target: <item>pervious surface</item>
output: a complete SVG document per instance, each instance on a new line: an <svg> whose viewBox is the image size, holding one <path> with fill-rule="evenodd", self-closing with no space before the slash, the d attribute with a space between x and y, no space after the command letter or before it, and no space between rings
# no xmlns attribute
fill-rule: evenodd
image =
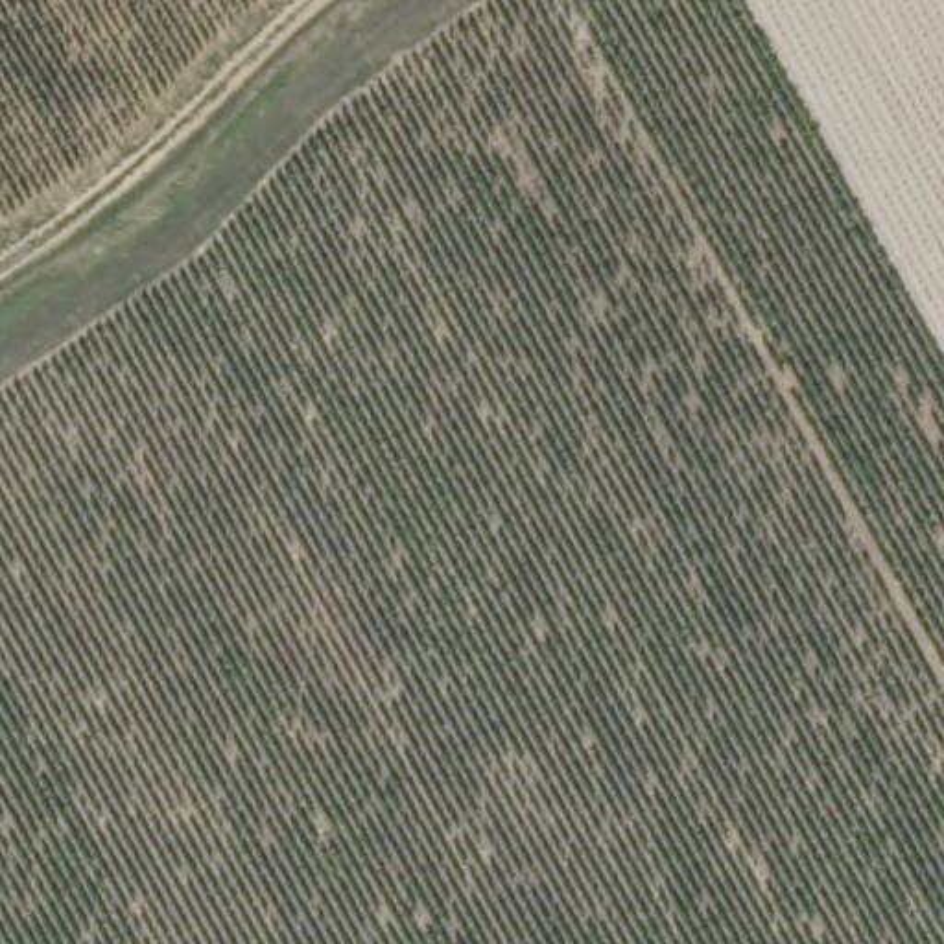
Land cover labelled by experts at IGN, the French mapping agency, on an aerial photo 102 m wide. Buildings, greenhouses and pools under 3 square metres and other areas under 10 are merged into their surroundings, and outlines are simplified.
<svg viewBox="0 0 944 944"><path fill-rule="evenodd" d="M0 284L30 262L44 258L63 240L70 240L111 203L118 203L133 184L140 184L159 162L166 162L328 0L291 0L232 59L225 59L218 74L207 77L192 92L192 100L177 107L162 122L162 129L155 129L133 155L96 173L89 188L66 199L66 210L33 214L37 229L30 229L22 240L0 251Z"/></svg>

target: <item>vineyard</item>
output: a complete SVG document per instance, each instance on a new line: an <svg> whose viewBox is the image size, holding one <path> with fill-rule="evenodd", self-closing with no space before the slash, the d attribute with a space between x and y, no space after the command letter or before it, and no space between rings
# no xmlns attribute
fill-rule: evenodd
<svg viewBox="0 0 944 944"><path fill-rule="evenodd" d="M494 15L494 30L487 33L468 15L454 30L446 22L435 22L413 44L391 52L391 59L376 74L369 74L361 85L347 89L325 111L317 111L313 122L302 125L277 159L269 159L262 177L243 195L232 195L229 210L218 214L210 232L192 251L162 254L155 262L155 277L133 277L129 295L107 306L114 321L96 325L63 358L55 358L52 365L37 369L33 376L18 380L11 391L0 395L0 944L944 944L944 0L498 0L479 11Z"/></svg>
<svg viewBox="0 0 944 944"><path fill-rule="evenodd" d="M85 159L74 103L100 100L114 125L129 125L136 118L140 92L162 92L162 85L195 55L195 48L218 33L221 22L232 22L236 11L251 0L0 0L0 210L18 207L30 192L48 188L66 166L77 166Z"/></svg>

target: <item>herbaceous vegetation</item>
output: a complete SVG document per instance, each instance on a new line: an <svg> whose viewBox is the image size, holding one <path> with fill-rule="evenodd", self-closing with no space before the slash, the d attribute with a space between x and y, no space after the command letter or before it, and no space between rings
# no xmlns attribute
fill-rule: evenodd
<svg viewBox="0 0 944 944"><path fill-rule="evenodd" d="M391 59L391 52L413 44L435 22L446 22L454 30L468 15L487 33L494 30L494 15L479 11L498 0L328 0L166 162L159 162L140 184L133 184L118 203L111 203L70 240L63 240L44 258L30 262L0 284L0 395L11 391L18 380L33 376L37 369L52 365L55 358L63 358L96 325L114 321L107 306L129 295L133 277L155 277L155 262L162 254L192 251L210 232L218 214L229 210L232 195L243 195L262 177L269 159L277 159L302 125L313 122L317 111L325 111L347 89L361 85L369 74L376 74Z"/></svg>
<svg viewBox="0 0 944 944"><path fill-rule="evenodd" d="M218 74L225 59L232 59L291 0L251 0L236 11L232 22L221 22L218 33L195 48L195 55L162 85L162 92L140 92L136 118L129 125L114 125L100 100L74 103L85 159L77 166L66 166L48 188L30 192L18 207L0 210L0 251L22 240L30 229L37 229L33 214L66 210L66 199L89 188L96 173L133 155L155 129L162 129L162 122L177 107L192 100L192 92L207 77Z"/></svg>

